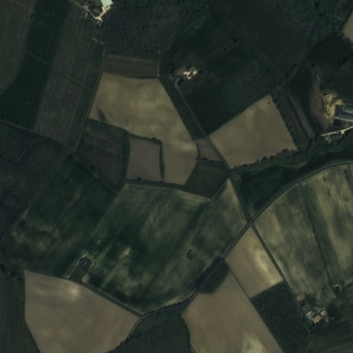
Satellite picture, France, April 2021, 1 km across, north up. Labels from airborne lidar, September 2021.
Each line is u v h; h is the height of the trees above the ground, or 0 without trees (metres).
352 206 0
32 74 6
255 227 0
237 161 0
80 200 0
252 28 0
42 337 0
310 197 0
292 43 0
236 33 0
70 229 0
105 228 0
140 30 19
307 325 12
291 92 0
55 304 0
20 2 0
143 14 22
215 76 11
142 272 0
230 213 0
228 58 0
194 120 0
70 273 0
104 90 0
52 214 0
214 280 28
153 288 0
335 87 0
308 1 23
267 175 0
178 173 0
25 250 0
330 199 0
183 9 23
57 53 6
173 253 0
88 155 0
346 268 0
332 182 0
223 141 0
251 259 0
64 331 0
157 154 0
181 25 9
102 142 0
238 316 0
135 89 0
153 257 0
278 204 0
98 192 0
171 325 0
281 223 0
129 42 20
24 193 6
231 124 0
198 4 26
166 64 0
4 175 7
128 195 0
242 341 0
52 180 0
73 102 7
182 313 17
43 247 0
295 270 0
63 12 6
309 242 0
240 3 0
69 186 0
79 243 0
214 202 0
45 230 0
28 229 0
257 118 0
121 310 0
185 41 0
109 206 0
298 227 0
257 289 0
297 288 0
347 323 0
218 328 0
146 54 19
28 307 0
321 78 0
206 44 0
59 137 5
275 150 0
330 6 25
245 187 0
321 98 0
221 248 0
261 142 0
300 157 23
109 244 0
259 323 0
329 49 0
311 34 20
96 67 6
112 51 19
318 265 0
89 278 0
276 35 0
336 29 26
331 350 0
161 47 19
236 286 0
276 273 0
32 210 0
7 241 0
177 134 0
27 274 0
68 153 0
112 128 10
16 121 6
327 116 0
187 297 0
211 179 0
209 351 0
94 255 0
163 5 20
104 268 0
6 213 8
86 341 0
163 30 22
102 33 18
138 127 0
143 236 0
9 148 9
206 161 14
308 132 0
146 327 0
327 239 0
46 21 6
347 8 0
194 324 0
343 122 0
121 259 0
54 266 0
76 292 0
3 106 6
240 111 7
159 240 0
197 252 0
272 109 0
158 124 0
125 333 0
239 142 0
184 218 0
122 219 0
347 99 0
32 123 5
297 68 12
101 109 0
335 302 0
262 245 0
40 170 6
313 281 0
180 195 0
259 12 0
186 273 0
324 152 0
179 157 0
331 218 0
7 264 0
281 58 0
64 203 0
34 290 0
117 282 0
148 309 0
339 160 0
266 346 0
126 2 19
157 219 0
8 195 8
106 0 0
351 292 0
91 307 0
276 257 0
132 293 0
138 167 0
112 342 0
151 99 0
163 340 0
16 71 0
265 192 0
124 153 7
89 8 8
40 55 6
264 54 0
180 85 15
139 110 0
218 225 0
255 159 0
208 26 0
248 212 0
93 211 0
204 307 0
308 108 0
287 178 0
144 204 0
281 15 0
